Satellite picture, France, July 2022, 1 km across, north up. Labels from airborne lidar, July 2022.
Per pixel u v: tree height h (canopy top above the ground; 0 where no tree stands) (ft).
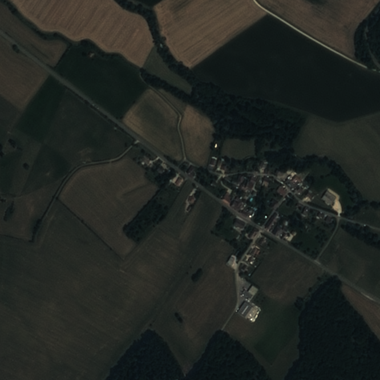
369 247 0
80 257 0
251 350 0
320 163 23
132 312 0
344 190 0
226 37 0
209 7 0
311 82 0
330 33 0
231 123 68
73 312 0
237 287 0
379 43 57
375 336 66
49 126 0
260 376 49
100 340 0
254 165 25
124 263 0
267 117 32
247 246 30
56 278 0
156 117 0
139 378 106
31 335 0
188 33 0
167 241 0
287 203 24
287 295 0
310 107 0
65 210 0
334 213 22
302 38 0
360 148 0
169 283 0
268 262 0
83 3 0
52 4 0
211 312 0
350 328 93
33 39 0
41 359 0
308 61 0
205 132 0
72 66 0
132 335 0
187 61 0
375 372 82
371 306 0
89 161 0
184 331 0
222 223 31
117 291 0
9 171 0
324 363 71
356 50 32
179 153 0
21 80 0
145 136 0
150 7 0
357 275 0
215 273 0
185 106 0
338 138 0
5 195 0
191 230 0
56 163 0
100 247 0
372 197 0
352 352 93
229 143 0
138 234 37
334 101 0
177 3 0
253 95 0
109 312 0
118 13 0
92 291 0
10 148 0
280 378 0
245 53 0
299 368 64
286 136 78
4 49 0
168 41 0
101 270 0
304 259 0
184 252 0
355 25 0
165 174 45
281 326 0
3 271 0
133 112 0
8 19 0
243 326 0
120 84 0
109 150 0
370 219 0
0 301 0
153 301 0
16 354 0
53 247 0
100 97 0
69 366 0
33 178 0
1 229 0
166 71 0
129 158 0
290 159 79
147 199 0
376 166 0
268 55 0
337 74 0
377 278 0
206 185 54
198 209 0
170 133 0
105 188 0
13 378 0
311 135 0
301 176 0
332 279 46
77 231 0
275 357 0
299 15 0
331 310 73
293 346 0
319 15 0
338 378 77
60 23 0
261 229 0
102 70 0
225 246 0
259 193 38
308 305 61
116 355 0
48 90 0
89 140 0
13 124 0
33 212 0
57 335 0
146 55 0
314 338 90
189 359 0
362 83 0
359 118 0
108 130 0
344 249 0
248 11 0
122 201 0
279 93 0
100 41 0
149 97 0
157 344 102
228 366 101
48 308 0
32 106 0
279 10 0
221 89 31
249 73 0
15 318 0
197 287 0
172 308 0
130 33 0
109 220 0
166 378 95
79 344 0
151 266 0
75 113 0
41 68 0
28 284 0
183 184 0
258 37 0
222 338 74
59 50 0
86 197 0
